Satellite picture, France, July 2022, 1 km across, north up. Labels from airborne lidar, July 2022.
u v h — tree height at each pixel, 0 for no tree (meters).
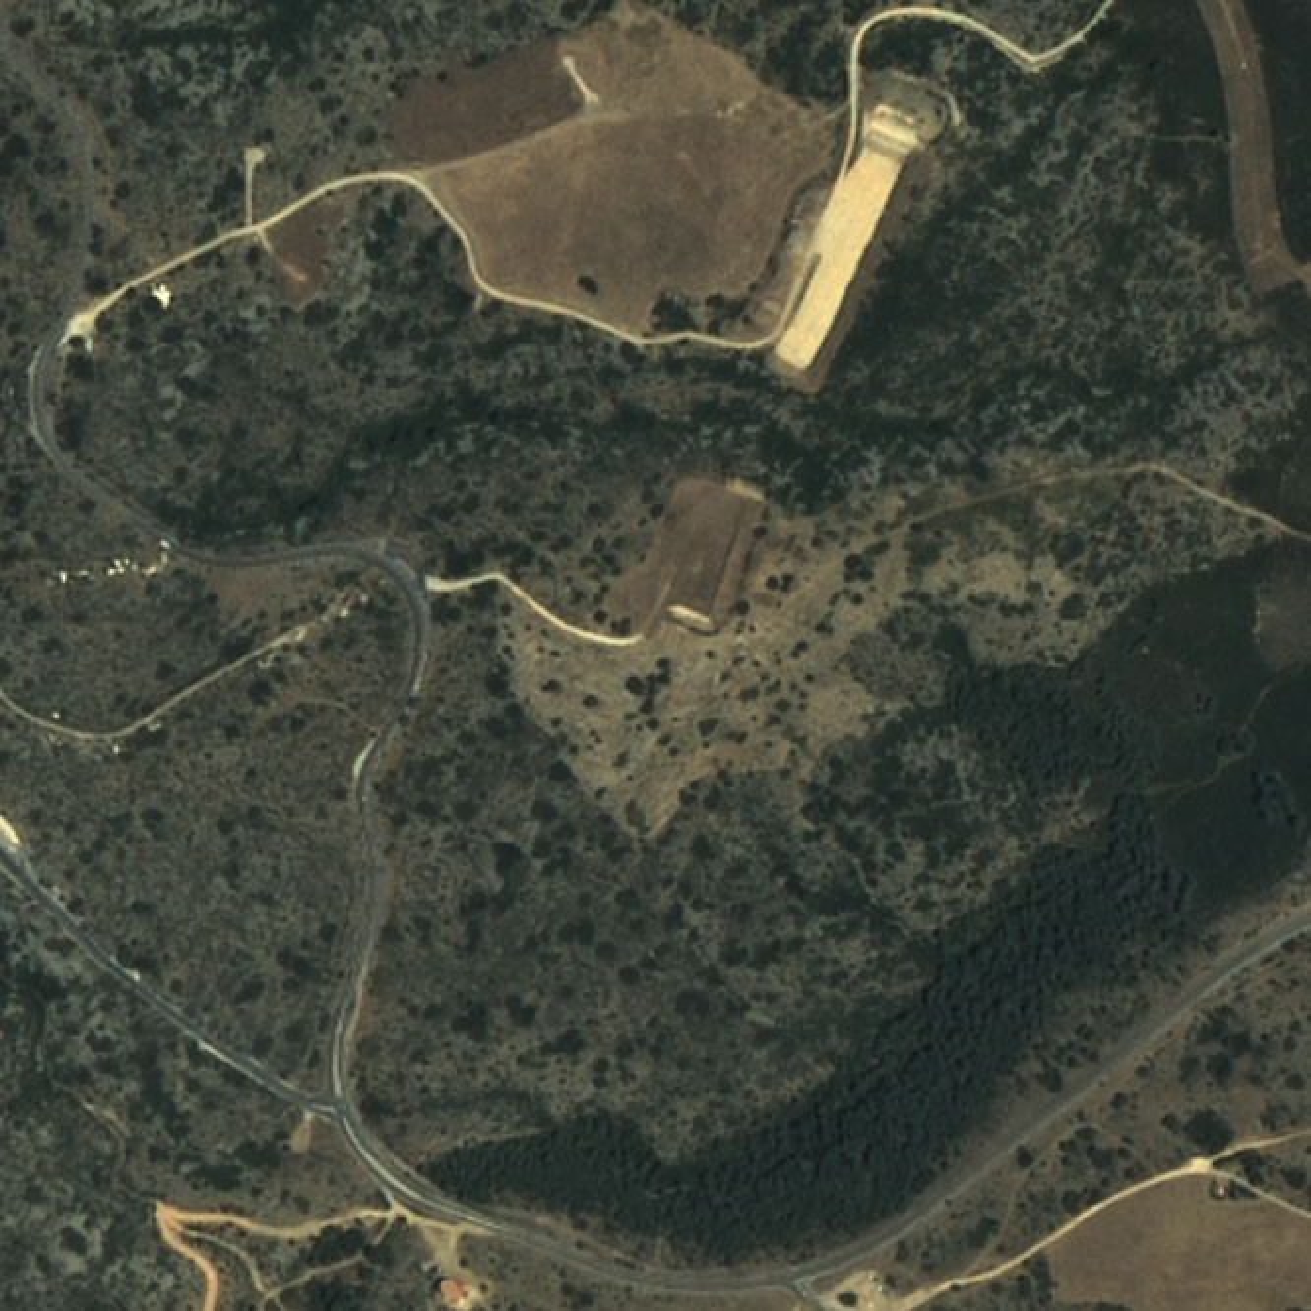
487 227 0
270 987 0
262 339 0
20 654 0
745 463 0
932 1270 0
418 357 0
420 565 0
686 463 0
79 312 0
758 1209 11
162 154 0
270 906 0
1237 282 0
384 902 0
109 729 0
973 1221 0
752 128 0
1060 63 0
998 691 7
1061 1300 0
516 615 0
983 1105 9
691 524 0
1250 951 0
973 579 0
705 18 0
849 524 0
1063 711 10
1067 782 9
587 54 0
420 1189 0
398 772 0
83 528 0
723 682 0
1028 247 0
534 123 0
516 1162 9
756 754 0
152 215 0
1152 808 10
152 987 0
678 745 0
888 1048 15
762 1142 7
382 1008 0
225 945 0
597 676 0
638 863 0
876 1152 11
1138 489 0
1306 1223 0
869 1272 0
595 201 0
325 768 0
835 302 0
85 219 0
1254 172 0
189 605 0
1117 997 0
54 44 0
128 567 0
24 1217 0
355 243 0
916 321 0
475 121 0
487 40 0
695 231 0
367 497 0
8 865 0
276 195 0
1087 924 11
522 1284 0
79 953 0
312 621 0
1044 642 0
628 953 0
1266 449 0
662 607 0
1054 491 0
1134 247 0
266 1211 0
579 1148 9
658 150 0
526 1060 8
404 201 0
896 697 0
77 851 0
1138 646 8
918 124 0
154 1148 0
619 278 0
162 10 0
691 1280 0
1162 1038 0
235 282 0
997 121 0
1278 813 13
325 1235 8
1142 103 0
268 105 0
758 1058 0
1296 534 0
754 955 0
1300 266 0
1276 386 0
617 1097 0
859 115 0
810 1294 0
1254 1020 0
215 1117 0
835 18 0
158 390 0
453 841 0
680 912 0
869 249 0
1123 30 8
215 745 0
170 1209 0
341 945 0
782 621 0
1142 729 9
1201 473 0
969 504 0
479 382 0
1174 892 15
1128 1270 0
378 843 0
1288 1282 0
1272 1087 0
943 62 0
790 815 0
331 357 0
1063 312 0
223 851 0
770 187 0
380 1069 0
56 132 0
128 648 0
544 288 0
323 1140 0
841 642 0
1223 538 0
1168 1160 0
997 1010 10
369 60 0
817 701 0
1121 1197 0
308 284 0
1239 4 0
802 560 0
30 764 0
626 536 0
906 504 0
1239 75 0
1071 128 0
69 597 0
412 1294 0
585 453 0
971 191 0
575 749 0
